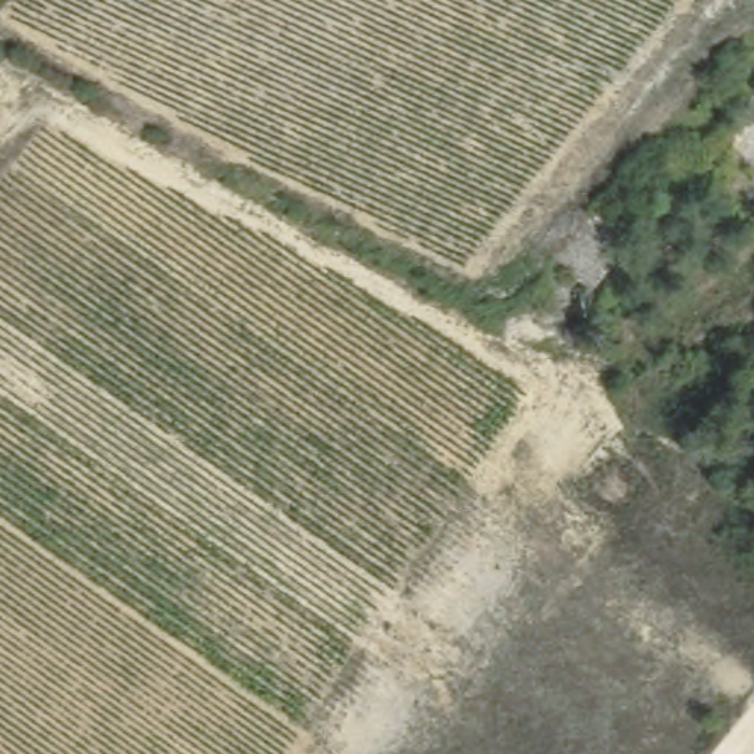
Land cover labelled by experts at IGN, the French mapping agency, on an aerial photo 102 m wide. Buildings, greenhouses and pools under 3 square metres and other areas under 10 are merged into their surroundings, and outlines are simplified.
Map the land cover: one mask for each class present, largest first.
<instances>
[{"label":"vineyard","instance_id":"1","mask_svg":"<svg viewBox=\"0 0 754 754\"><path fill-rule=\"evenodd\" d=\"M692 0H0V27L9 29L15 38L35 44L53 62L88 80H97L112 94L127 97L133 106L150 112L174 133L197 138L218 159L244 165L259 177L274 180L283 189L300 194L309 203L353 218L380 242L398 244L421 256L424 265H433L442 277H483L495 271L492 256L510 233V227L521 221L527 200L542 194L557 165L580 144V138L589 133L595 121L607 115L610 103L619 100L621 88L633 80V74L660 50L674 21H680L689 12ZM495 350L483 342V333L457 312H445L433 303L418 300L401 283L365 268L353 256L309 242L303 230L289 224L286 218L268 212L253 200L233 194L215 180L200 177L191 165L162 156L153 144L141 138L124 135L118 124L94 115L74 94L50 85L47 80L24 68L0 62V754H336L327 736V719L333 716L336 701L359 683L365 651L353 648L350 639L365 627V610L374 607L371 595H386V589H395L404 598H412L418 592V583L430 577V566L442 554L451 524L465 521L474 512L477 489L468 483V477L474 474V465L489 454L492 439L515 412L518 383L498 368H489Z\"/></svg>","mask_w":754,"mask_h":754},{"label":"herbaceous vegetation","instance_id":"2","mask_svg":"<svg viewBox=\"0 0 754 754\"><path fill-rule=\"evenodd\" d=\"M754 27V0H692L689 12L680 21H674L660 50L633 74V80L621 88L619 100L610 103L607 115L595 121L589 133L580 138V144L557 165L542 194L527 200L521 221L510 227V233L492 256L495 271L518 253L539 259L551 247L557 262L571 265L583 286H598L607 277V265L598 247L601 218L580 212L577 191L592 186L595 171L610 162L621 141L663 130L680 106L689 103L695 91L692 62L704 59L713 44L725 38H742ZM571 300V292L560 286L554 297H545L530 315L510 318L504 333H483V342L495 350L489 368H498L518 383L515 412L492 439L489 454L474 465V474L468 477V483L477 489L474 512L465 521L451 524L442 554L430 566V577L418 583V592L412 598H404L395 589H386V595H371L374 607L365 610V627L350 639L353 648L365 651L359 683L336 701L333 716L327 719V736L336 754H710L727 736L733 722L745 713V707L754 701V583H739L733 577V557H725L722 551L707 545L710 527L725 512V495L733 492L710 486L701 477V465L713 462V448H686L680 442L701 427L704 415L716 404L733 406V374L745 368V362L739 353L727 348L730 330L725 327L707 330L704 342L695 345L660 336L657 342L645 345L642 359L627 356L604 368L595 353L580 350L574 339L560 330Z\"/></svg>","mask_w":754,"mask_h":754},{"label":"brushwood","instance_id":"3","mask_svg":"<svg viewBox=\"0 0 754 754\"><path fill-rule=\"evenodd\" d=\"M0 62L24 68L47 80L50 85L74 94L94 115L118 124L124 135L141 138L153 144L162 156L191 165L200 177L215 180L233 194L253 200L268 212L286 218L289 224L303 230L309 242L353 256L365 268L401 283L418 300L433 303L445 312H457L483 333H504L510 318L530 315L545 297H554L560 286L571 292V300L560 330L574 339L580 350L595 353L604 368L627 356L642 359L645 345L657 342L660 336L695 345L704 342L707 330L725 327L748 324L754 318V165L733 150V133L754 124V27L742 38H725L713 44L704 59L692 62L695 91L689 103L680 106L663 130L621 141L610 162L595 171L592 186L577 191L580 212L601 218L598 247L607 265V277L598 286H583L571 265L557 262L551 247L539 259L518 253L495 271L483 277H442L433 265H424L421 256L398 244L380 242L353 218L309 203L300 194L283 189L274 180L259 177L244 165L218 159L197 138L174 133L150 112L133 106L127 97L112 94L97 80H88L53 62L35 44L15 38L9 29L0 27Z\"/></svg>","mask_w":754,"mask_h":754},{"label":"deciduous trees","instance_id":"4","mask_svg":"<svg viewBox=\"0 0 754 754\"><path fill-rule=\"evenodd\" d=\"M725 327L730 330L727 348L739 353L745 362V368L733 374V406L716 404L704 415L701 427L680 442L686 448H713V462L701 465V477L710 486L733 492L725 495V512L710 527L707 545L722 551L725 557H733V577L739 583H754V318L748 324Z\"/></svg>","mask_w":754,"mask_h":754},{"label":"pervious surface","instance_id":"5","mask_svg":"<svg viewBox=\"0 0 754 754\"><path fill-rule=\"evenodd\" d=\"M733 150L754 165V124L733 133ZM710 754H754V701L745 707V713L733 722L727 736Z\"/></svg>","mask_w":754,"mask_h":754}]
</instances>
